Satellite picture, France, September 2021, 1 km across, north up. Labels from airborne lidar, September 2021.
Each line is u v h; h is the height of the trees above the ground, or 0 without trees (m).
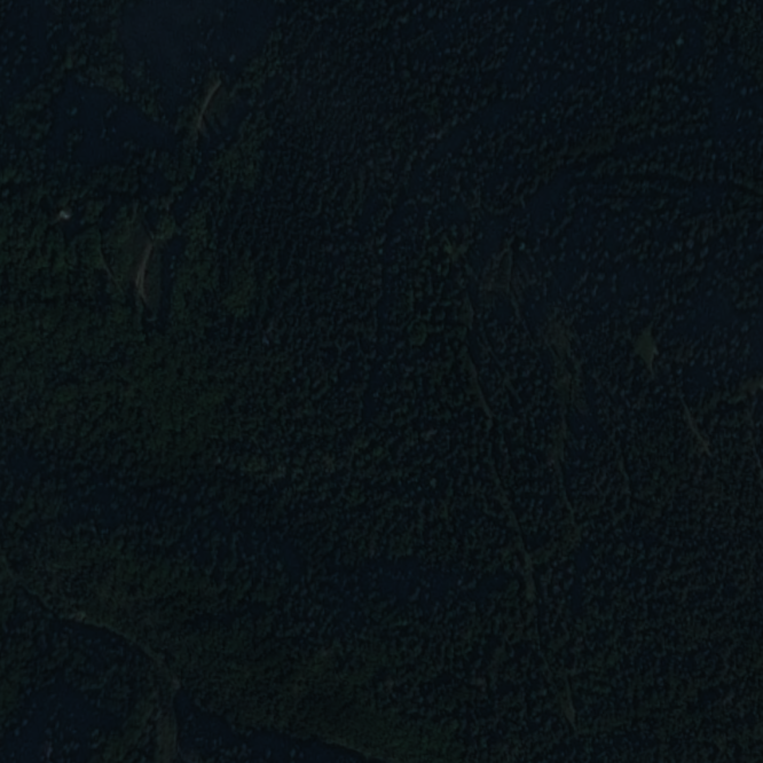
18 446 33
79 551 16
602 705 21
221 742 9
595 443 23
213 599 8
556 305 22
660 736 15
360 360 26
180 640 21
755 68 21
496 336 26
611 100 20
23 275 31
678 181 15
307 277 26
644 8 6
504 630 23
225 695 12
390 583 10
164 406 26
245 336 27
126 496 25
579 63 20
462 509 15
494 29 28
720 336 25
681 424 17
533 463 10
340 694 18
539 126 32
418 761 17
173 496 28
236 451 24
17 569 22
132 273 0
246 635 27
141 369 20
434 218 14
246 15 7
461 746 14
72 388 24
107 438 20
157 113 15
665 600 14
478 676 14
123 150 22
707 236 21
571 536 18
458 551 18
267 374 20
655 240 14
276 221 26
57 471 22
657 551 27
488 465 14
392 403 26
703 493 14
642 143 11
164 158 29
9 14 8
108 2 25
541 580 19
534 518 28
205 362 19
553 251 13
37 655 28
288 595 24
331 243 20
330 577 34
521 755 8
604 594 16
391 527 19
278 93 27
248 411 25
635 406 24
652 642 13
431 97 20
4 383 20
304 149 26
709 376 14
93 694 10
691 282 21
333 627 15
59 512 14
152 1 11
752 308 8
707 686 24
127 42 10
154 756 20
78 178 28
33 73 19
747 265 12
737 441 10
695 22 18
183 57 28
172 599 12
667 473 13
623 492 25
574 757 11
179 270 20
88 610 15
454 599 20
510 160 19
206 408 21
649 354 0
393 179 27
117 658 13
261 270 21
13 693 25
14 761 16
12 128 21
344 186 24
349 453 20
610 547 18
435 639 23
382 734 18
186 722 21
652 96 26
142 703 15
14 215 16
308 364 28
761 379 11
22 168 20
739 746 14
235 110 0
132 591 15
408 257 20
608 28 19
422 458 14
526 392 32
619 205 18
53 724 21
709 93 7
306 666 19
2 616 24
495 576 9
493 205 18
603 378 27
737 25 19
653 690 15
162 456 21
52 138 19
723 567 12
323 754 18
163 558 22
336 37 27
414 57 22
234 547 22
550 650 17
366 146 23
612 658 17
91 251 22
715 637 12
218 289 22
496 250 16
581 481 20
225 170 16
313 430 25
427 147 25
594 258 24
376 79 23
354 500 19
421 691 8
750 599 8
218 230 16
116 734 10
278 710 23
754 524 11
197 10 16
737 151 24
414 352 24
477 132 20
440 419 30
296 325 26
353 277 28
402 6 23
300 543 29
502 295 0
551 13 19
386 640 16
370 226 27
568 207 29
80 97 14
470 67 24
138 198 13
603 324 23
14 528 27
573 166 10
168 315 19
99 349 28
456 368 12
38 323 28
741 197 13
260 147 15
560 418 20
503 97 21
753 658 19
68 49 15
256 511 29
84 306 8
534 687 13
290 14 20
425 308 15
